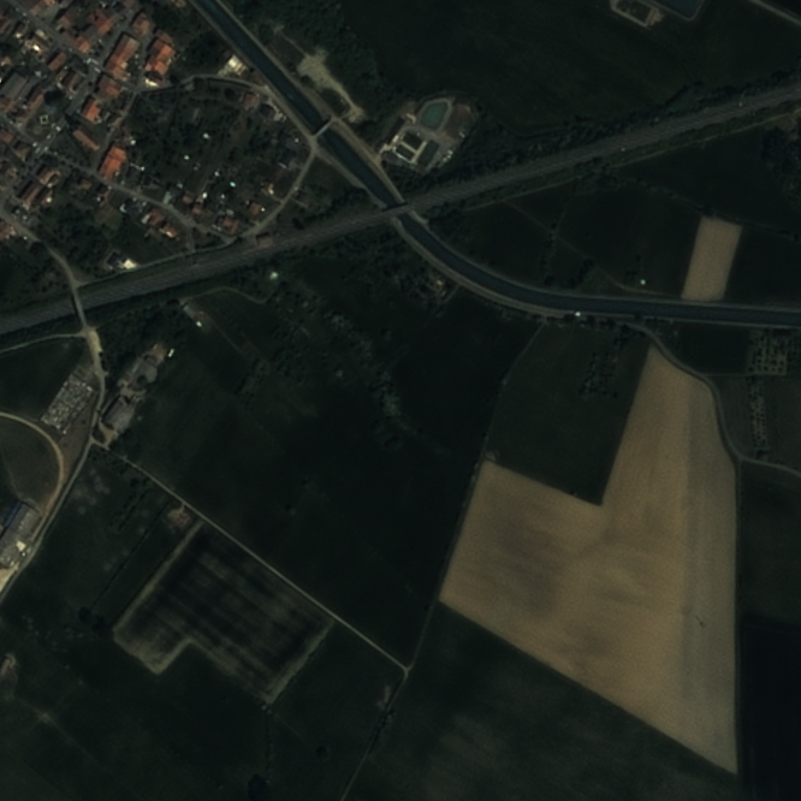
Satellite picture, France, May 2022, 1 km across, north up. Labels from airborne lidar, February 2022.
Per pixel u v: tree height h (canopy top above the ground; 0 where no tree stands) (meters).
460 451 0
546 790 0
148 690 0
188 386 0
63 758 0
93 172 0
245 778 0
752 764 0
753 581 0
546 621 0
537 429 0
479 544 0
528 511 0
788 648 0
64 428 0
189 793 0
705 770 0
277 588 0
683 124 0
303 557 0
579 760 0
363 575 0
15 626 0
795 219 0
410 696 0
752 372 6
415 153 0
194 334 0
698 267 0
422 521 0
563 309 0
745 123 7
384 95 8
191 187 0
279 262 15
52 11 0
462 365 0
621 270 0
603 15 0
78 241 15
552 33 0
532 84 0
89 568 0
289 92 0
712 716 0
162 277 0
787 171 27
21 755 0
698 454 0
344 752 0
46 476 0
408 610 0
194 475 0
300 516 0
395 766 0
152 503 0
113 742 0
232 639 0
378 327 0
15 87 0
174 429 0
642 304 0
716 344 0
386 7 0
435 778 0
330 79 0
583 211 0
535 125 0
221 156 0
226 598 0
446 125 0
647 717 0
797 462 0
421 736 0
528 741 0
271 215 0
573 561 0
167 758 0
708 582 0
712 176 0
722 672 0
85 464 0
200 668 0
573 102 0
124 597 0
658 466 0
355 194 17
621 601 0
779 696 0
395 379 0
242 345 0
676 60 0
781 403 0
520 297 0
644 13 0
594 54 0
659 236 0
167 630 0
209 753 0
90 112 0
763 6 0
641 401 0
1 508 0
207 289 0
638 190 0
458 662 0
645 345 0
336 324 8
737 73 0
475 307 0
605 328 6
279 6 8
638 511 0
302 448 0
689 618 0
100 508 0
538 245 0
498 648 0
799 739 0
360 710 0
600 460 0
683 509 0
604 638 0
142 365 0
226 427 0
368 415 0
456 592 0
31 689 0
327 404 0
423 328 0
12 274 0
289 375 7
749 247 0
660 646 0
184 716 0
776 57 0
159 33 0
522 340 0
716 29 0
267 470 0
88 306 0
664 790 0
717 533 0
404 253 16
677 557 0
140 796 0
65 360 0
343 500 0
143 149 12
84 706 0
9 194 0
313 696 0
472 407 0
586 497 0
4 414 0
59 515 0
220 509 0
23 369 0
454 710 0
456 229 17
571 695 0
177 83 13
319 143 0
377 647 0
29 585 0
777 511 0
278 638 0
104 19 0
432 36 0
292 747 0
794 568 0
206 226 0
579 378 0
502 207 0
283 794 0
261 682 0
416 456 0
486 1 0
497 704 0
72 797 0
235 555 0
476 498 0
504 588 0
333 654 0
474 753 0
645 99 0
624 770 0
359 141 0
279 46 0
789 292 0
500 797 0
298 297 6
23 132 0
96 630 21
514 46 0
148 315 6
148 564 0
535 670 0
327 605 0
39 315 0
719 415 0
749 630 0
